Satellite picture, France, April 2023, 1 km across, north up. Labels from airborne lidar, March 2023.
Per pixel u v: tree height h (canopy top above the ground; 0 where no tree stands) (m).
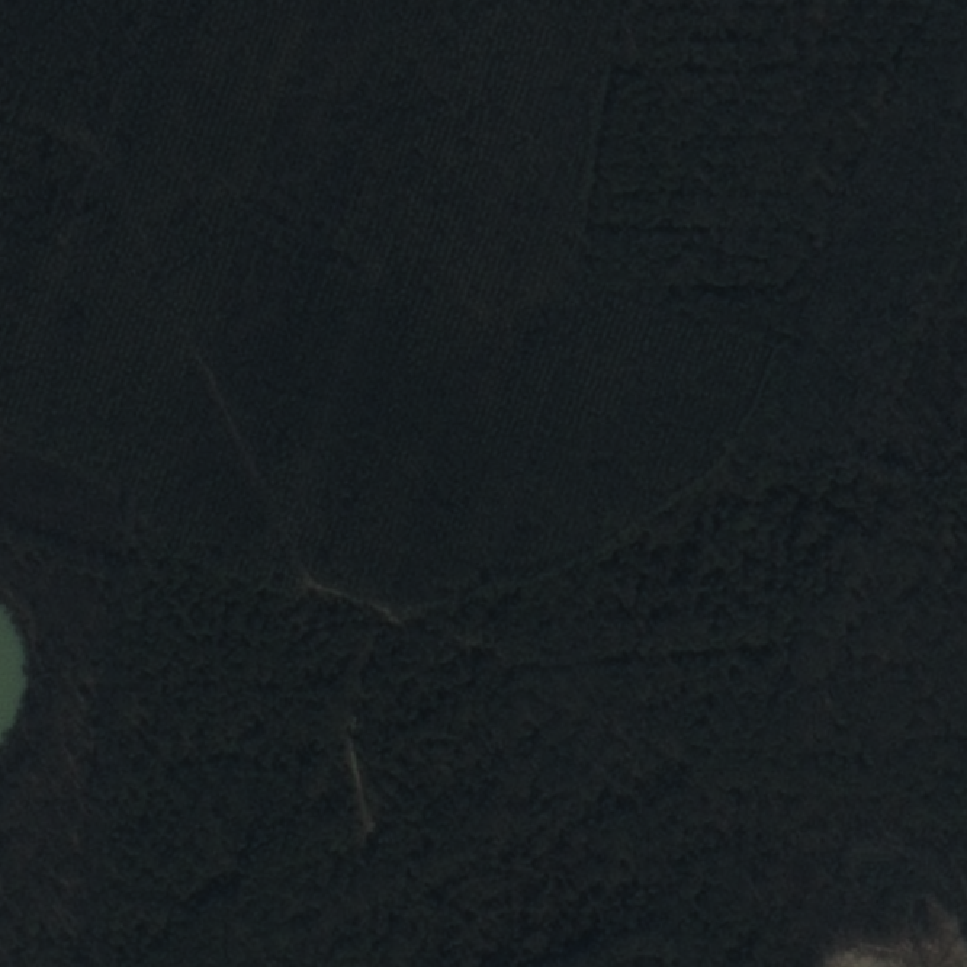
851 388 25
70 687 26
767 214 27
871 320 28
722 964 25
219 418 35
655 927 26
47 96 39
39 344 34
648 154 21
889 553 27
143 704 23
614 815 27
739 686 24
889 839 28
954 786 22
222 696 23
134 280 38
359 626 23
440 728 22
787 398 32
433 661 18
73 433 30
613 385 39
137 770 27
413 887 21
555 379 37
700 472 36
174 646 21
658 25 25
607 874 22
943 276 23
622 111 24
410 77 29
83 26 40
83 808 28
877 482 23
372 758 18
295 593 22
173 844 24
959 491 21
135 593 27
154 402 40
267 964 19
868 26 23
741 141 24
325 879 23
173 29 42
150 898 27
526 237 38
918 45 20
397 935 19
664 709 23
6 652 0
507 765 28
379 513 39
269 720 19
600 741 25
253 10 39
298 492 38
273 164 30
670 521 32
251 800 25
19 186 39
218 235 38
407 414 41
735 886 20
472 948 15
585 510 36
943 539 27
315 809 23
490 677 24
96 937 25
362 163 33
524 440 38
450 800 15
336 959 22
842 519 16
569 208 35
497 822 27
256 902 19
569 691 26
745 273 24
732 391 35
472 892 16
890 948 0
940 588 23
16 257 35
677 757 23
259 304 34
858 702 25
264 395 36
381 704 24
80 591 30
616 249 26
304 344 37
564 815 27
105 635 31
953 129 27
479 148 35
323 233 28
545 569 34
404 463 41
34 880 24
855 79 23
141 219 40
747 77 26
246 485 37
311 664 16
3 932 25
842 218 24
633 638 22
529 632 25
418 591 36
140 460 34
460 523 38
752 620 25
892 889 7
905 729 27
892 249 27
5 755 0
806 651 28
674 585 21
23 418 28
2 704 0
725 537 23
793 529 17
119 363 40
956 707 25
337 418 40
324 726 24
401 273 35
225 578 29
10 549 27
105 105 40
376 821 0
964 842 23
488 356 35
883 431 27
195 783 29
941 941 0
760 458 28
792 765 21
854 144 20
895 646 27
